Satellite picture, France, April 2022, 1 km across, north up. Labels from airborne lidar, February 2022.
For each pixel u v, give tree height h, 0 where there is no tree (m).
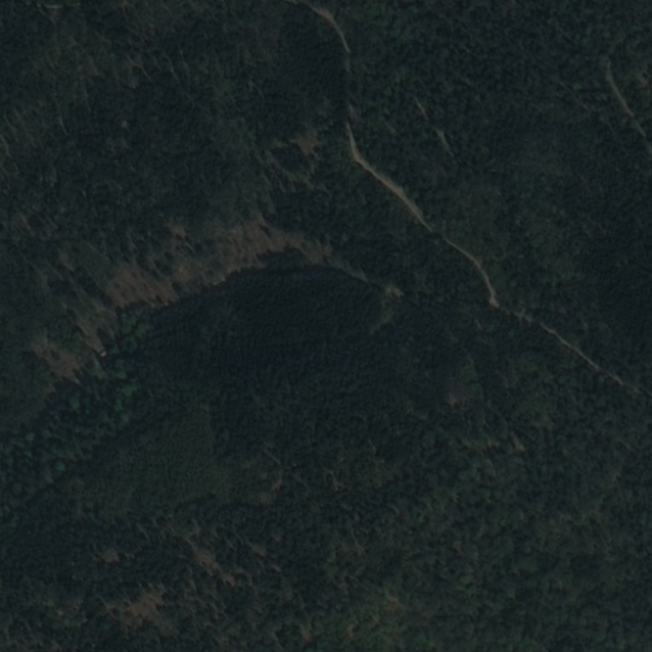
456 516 34
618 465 29
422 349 18
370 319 20
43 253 21
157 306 15
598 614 27
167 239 16
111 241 17
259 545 22
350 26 21
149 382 22
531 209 16
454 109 23
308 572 25
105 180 21
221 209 19
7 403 20
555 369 18
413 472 9
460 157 21
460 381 20
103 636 20
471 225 21
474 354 27
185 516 25
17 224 13
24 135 16
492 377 26
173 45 24
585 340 34
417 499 10
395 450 18
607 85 19
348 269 14
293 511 15
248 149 17
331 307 21
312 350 19
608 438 12
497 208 22
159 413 23
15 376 18
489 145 23
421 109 20
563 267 22
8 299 20
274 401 18
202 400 21
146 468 7
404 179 19
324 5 22
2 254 24
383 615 25
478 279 18
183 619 14
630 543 25
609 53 14
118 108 22
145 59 19
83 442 30
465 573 25
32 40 25
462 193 25
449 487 21
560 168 17
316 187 18
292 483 15
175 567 20
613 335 21
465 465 26
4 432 21
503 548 19
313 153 0
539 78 27
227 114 21
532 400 26
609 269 17
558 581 27
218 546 18
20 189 17
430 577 29
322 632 28
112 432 20
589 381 32
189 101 20
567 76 21
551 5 29
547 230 17
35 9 14
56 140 26
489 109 25
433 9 20
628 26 21
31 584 20
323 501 6
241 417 23
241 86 23
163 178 19
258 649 27
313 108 24
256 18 21
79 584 13
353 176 15
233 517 20
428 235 15
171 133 25
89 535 22
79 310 17
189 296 18
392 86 28
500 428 30
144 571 25
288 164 20
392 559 6
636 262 17
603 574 23
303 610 25
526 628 18
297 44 17
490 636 30
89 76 20
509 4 28
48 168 19
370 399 25
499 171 26
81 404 10
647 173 20
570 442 21
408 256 18
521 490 23
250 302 23
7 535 27
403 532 31
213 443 8
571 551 28
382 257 16
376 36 33
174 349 25
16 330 23
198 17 16
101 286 18
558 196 19
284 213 25
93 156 22
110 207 18
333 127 12
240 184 19
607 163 17
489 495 24
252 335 16
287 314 23
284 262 24
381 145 32
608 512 28
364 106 21
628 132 7
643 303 18
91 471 24
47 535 27
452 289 21
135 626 7
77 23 17
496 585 20
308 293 26
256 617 22
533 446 31
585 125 18
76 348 21
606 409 17
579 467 25
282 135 19
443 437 27
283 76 22
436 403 25
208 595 19
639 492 20
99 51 21
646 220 17
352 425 21
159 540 27
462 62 20
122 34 15
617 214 20
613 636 28
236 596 21
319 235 18
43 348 0
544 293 19
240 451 25
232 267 0
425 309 23
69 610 26
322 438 25
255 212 16
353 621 23
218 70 17
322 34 16
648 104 13
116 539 25
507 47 25
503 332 24
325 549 22
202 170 17
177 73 11
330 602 8
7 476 39
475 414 29
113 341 16
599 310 20
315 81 18
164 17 18
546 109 25
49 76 19
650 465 26
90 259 20
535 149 13
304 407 16
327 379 26
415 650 29
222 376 26
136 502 7
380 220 15
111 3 15
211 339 25
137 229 17
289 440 24
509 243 20
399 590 29
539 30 28
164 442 9
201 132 23
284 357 16
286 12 18
